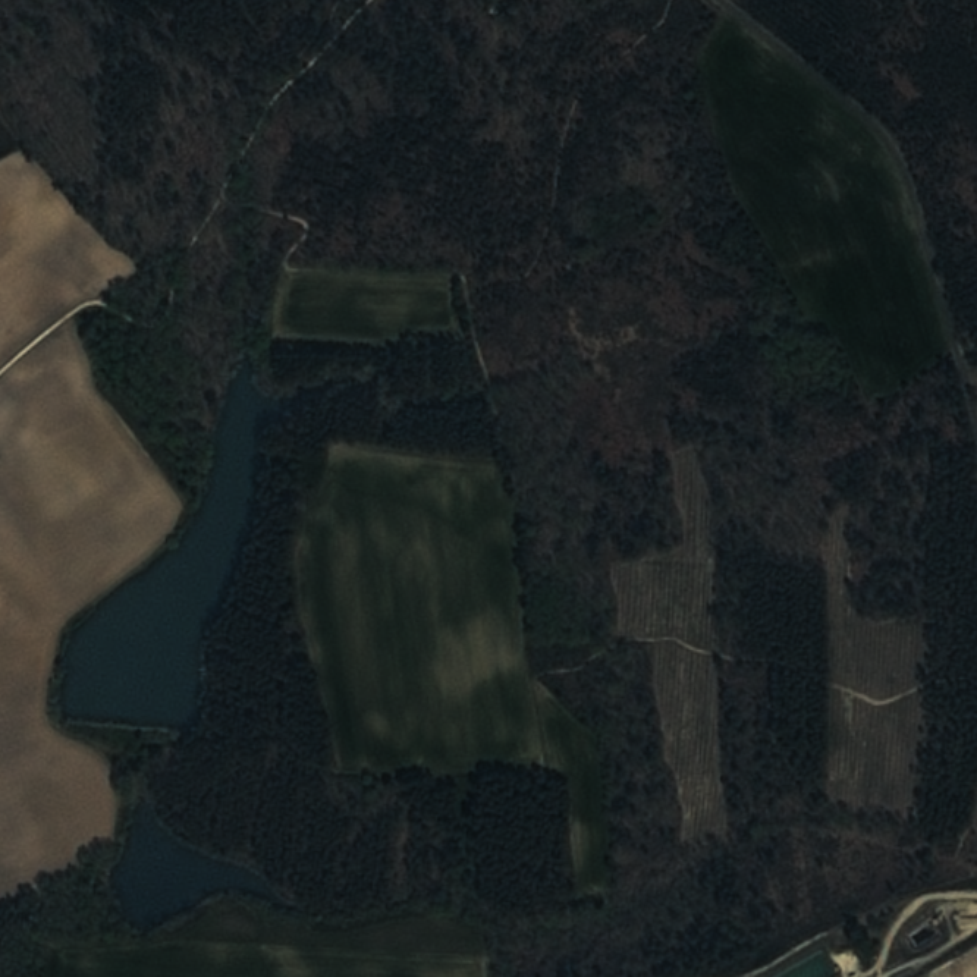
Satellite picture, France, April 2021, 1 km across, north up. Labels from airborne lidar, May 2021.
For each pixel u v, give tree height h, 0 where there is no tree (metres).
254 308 20
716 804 0
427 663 0
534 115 10
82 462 0
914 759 0
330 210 5
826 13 7
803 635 21
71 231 0
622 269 9
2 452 0
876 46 8
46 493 0
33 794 0
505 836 20
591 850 0
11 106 0
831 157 0
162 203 16
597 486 14
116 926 16
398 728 0
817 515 13
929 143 9
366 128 6
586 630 17
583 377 17
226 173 16
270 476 21
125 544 0
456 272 9
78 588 0
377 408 23
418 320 0
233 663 18
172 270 15
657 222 16
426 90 17
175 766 15
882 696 0
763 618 21
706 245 10
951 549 21
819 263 0
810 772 15
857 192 0
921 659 0
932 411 8
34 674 0
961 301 10
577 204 9
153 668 0
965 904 0
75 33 13
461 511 0
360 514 0
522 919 19
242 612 19
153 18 12
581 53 10
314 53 25
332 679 0
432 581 0
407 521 0
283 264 15
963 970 0
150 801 7
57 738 0
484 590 0
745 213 8
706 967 11
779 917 13
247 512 0
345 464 0
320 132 9
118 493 0
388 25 15
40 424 0
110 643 0
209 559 0
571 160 6
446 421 19
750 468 11
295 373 19
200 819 17
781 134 0
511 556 0
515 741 0
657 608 0
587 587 16
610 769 17
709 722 0
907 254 0
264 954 0
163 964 0
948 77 9
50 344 0
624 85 8
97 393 0
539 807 18
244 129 19
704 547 0
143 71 16
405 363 21
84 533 0
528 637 10
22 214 0
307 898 20
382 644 0
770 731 9
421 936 0
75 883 15
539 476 10
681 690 0
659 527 23
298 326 0
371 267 16
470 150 8
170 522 0
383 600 0
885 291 0
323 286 0
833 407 12
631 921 13
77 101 13
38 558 0
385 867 20
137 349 20
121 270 0
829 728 22
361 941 0
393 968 0
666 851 7
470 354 17
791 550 17
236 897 7
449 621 0
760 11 6
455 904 20
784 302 9
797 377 16
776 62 0
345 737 0
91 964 0
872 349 0
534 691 0
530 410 13
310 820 20
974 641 17
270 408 0
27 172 0
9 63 12
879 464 21
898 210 0
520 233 9
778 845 14
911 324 0
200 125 10
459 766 0
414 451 13
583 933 13
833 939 0
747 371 10
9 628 0
